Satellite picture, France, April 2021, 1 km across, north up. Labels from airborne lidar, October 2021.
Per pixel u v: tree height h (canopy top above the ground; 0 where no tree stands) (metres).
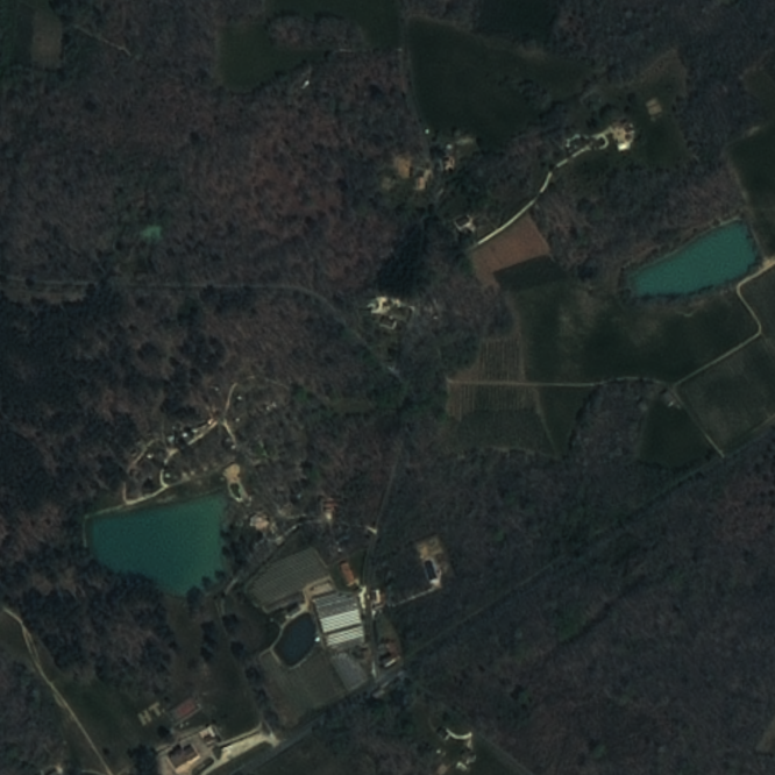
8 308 23
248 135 15
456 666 11
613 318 0
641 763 16
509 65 0
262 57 0
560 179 12
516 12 0
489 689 15
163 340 15
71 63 10
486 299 15
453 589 13
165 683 12
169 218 15
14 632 0
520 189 10
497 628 16
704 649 16
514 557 17
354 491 10
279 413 17
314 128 8
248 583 11
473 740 0
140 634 14
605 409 17
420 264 15
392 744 18
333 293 16
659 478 22
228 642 0
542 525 20
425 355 15
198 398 12
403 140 16
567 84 0
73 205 13
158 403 9
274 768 0
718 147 14
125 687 17
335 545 17
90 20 20
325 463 20
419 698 15
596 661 13
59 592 18
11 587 23
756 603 18
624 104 0
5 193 12
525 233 0
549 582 19
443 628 15
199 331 19
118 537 0
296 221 12
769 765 16
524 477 14
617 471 20
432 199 14
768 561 20
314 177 15
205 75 17
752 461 11
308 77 7
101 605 26
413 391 14
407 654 14
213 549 0
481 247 0
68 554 13
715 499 7
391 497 8
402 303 8
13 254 15
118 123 9
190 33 14
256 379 14
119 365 19
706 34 14
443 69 0
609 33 14
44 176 12
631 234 18
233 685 0
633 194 25
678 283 0
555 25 13
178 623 0
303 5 0
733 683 17
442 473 15
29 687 16
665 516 18
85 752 0
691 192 20
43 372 23
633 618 17
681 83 0
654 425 0
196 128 6
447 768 0
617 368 0
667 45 13
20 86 18
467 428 13
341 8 0
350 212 18
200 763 0
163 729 0
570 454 10
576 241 20
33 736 19
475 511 16
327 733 14
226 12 10
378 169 14
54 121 17
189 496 0
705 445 0
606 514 24
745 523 6
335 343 20
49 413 9
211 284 17
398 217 13
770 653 21
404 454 17
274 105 7
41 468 22
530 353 0
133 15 10
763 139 0
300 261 13
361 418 11
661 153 0
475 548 18
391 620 11
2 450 27
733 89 14
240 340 13
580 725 7
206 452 16
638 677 20
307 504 0
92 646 12
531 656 20
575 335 0
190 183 15
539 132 7
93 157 9
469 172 14
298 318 15
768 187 0
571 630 21
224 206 14
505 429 14
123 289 16
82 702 0
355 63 10
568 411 0
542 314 0
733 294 0
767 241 0
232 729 0
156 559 0
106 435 24
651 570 19
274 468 18
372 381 21
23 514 23
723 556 18
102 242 18
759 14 18
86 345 23
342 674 0
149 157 10
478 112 0
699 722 15
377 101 21
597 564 18
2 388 23
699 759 16
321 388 19
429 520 9
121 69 10
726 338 0
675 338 0
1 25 10
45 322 22
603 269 17
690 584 19
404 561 13
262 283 8
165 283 14
